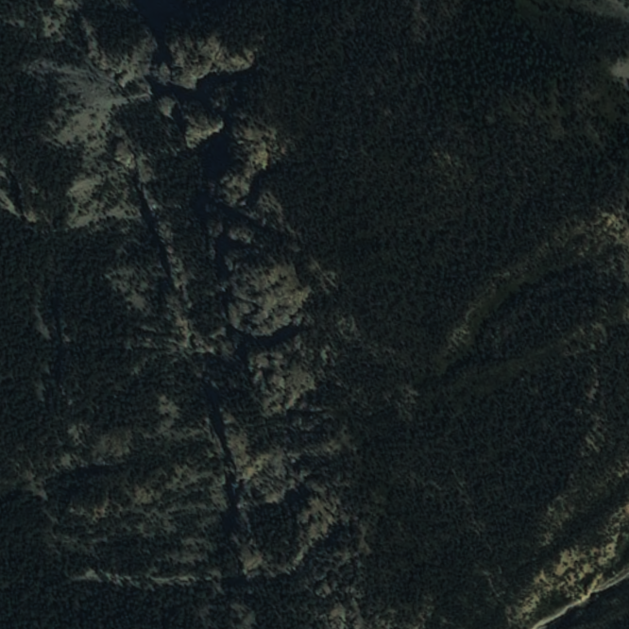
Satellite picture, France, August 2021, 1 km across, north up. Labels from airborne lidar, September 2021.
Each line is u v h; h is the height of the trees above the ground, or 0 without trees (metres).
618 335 10
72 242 7
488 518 14
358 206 13
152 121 7
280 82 12
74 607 16
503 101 12
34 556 8
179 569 8
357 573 9
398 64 16
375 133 16
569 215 12
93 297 11
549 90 17
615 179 16
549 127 15
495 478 16
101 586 8
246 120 9
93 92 0
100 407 10
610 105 0
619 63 0
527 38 19
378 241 14
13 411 16
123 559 11
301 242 9
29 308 16
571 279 14
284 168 14
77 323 13
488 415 16
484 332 18
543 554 7
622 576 0
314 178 13
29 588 15
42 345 13
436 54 9
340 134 7
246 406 9
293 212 11
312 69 13
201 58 9
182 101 8
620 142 11
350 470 9
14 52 11
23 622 14
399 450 13
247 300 0
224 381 7
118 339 11
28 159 15
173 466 7
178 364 8
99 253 11
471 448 12
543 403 14
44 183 15
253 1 10
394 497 14
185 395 9
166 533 8
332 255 14
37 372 13
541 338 11
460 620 6
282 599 12
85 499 9
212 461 9
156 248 17
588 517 6
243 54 10
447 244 15
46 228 8
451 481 12
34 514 13
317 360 12
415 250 19
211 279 6
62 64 7
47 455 8
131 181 6
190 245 10
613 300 12
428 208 12
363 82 10
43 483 6
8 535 16
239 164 11
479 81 13
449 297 13
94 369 14
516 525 11
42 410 12
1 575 18
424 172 14
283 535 13
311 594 14
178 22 7
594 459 9
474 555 9
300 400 7
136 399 13
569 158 8
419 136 15
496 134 18
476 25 20
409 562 7
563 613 0
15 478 12
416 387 7
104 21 11
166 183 11
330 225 9
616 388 14
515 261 12
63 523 5
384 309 10
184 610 12
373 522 7
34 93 11
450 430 16
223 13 11
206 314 12
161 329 9
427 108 11
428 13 8
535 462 12
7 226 13
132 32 9
